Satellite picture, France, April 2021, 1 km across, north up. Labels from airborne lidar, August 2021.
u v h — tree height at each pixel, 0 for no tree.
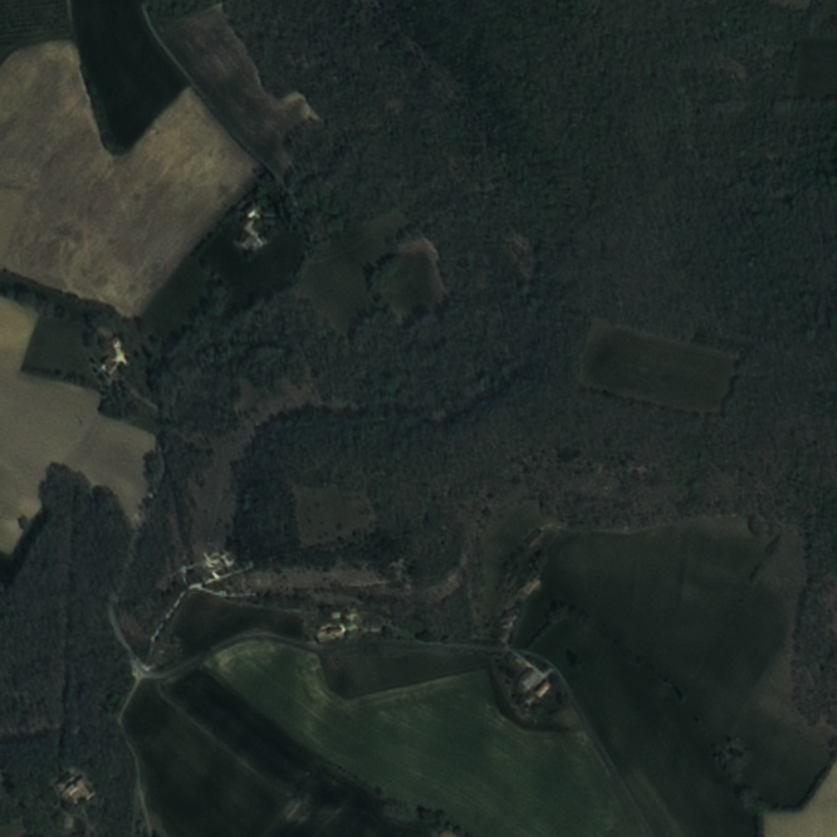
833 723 10
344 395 7
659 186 18
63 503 23
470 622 18
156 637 7
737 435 13
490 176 7
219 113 0
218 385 13
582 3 8
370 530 7
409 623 16
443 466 9
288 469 12
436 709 0
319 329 17
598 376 0
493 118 5
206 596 0
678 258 14
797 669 12
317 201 17
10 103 0
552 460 7
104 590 19
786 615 0
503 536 0
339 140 8
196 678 0
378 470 11
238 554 8
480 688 0
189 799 0
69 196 0
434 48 7
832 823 0
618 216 14
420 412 8
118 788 17
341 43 10
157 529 13
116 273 0
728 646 0
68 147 0
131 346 15
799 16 9
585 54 8
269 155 0
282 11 10
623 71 10
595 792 0
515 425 11
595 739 0
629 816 0
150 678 0
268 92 17
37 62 0
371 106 9
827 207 23
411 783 0
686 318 18
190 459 9
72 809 13
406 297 0
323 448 14
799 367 15
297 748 0
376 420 12
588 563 0
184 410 12
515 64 12
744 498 9
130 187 0
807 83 0
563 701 10
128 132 0
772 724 0
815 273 21
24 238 0
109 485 0
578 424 12
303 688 0
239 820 0
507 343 9
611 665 0
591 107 9
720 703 0
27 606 24
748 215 22
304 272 8
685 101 18
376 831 0
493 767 0
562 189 9
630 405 14
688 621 0
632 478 6
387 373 12
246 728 0
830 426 11
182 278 0
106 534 22
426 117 12
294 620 0
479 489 7
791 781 0
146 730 0
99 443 0
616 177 13
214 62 0
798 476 10
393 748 0
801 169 9
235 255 0
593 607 0
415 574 12
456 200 8
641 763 0
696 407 0
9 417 0
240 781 0
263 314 14
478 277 8
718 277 18
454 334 21
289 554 7
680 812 0
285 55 9
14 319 0
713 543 0
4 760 10
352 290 0
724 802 0
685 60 19
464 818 0
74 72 0
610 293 14
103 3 0
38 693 13
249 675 0
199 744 0
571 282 14
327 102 10
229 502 0
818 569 14
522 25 13
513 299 14
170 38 0
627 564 0
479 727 0
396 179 14
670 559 0
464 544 9
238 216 13
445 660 0
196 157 0
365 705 0
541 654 0
